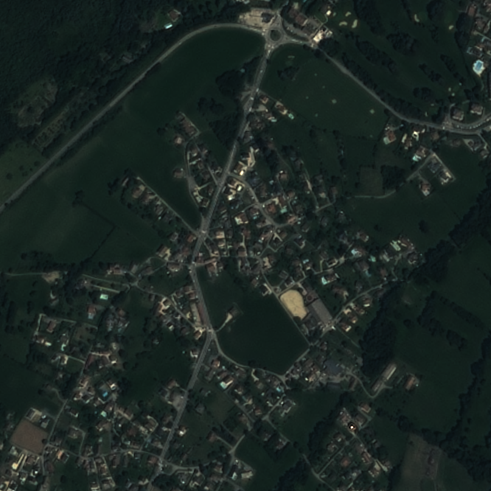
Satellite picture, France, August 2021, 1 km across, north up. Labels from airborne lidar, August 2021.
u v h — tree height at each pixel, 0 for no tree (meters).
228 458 6
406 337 0
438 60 0
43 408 0
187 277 7
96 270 6
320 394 0
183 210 0
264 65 0
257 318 0
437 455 0
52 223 0
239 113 11
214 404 0
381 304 7
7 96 15
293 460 0
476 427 0
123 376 0
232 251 10
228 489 0
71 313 9
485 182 0
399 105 25
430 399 0
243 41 0
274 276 0
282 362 0
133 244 0
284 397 7
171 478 6
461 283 0
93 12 7
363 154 0
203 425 0
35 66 14
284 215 7
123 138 0
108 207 0
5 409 8
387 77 0
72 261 0
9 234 0
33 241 0
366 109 0
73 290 14
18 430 0
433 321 17
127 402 0
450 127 0
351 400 17
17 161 0
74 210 0
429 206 0
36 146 6
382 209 0
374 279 0
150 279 11
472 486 0
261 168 0
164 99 0
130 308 0
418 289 0
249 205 0
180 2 22
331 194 9
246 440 0
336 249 15
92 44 19
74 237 0
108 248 0
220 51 0
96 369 7
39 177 6
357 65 20
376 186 0
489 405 0
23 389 0
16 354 0
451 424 0
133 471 0
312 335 12
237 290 0
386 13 0
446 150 0
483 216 18
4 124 16
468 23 24
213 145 0
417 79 0
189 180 0
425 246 0
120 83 13
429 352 0
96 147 0
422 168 0
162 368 0
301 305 0
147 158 0
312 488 0
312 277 13
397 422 9
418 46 19
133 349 0
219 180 0
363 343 21
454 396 0
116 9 7
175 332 8
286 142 0
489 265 0
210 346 0
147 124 0
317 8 17
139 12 23
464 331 0
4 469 0
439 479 0
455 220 0
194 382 0
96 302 13
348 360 0
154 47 19
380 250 13
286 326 0
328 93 0
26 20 13
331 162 0
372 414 0
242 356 0
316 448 21
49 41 8
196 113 0
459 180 0
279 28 0
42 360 20
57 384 9
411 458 0
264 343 0
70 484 0
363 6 24
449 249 24
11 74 16
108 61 10
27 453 0
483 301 0
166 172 0
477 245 0
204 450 0
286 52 0
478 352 0
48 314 11
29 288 0
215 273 0
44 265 9
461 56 0
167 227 0
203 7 20
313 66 0
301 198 8
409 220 0
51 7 10
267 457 0
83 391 0
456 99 13
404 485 0
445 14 23
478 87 10
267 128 6
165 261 0
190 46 0
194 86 0
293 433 0
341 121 0
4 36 6
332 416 11
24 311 0
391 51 0
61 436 9
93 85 14
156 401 0
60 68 17
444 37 0
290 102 0
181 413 0
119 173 0
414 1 0
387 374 0
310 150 0
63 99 21
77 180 0
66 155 11
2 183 0
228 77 15
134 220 0
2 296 7
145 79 11
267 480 0
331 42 21
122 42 19
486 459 11
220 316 0
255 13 0
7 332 11
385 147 0
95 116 0
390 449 0
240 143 6
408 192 0
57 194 0
